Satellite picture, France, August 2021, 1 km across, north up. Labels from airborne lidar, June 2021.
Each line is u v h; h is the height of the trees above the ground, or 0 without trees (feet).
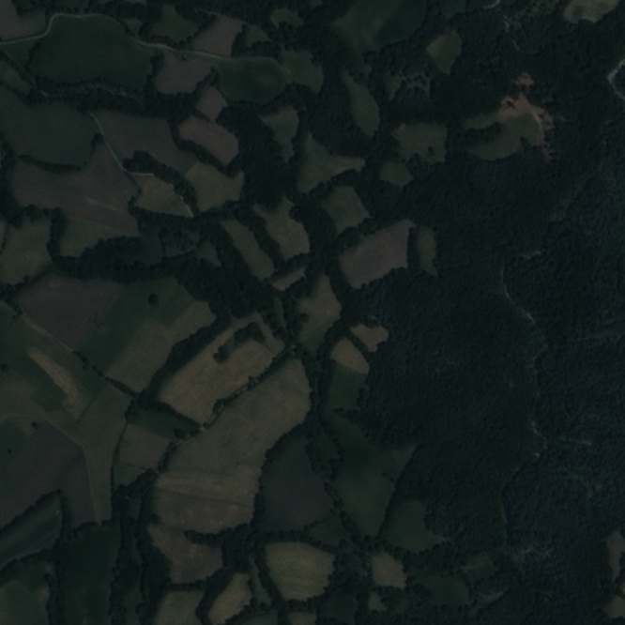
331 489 53
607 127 44
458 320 64
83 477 0
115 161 0
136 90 31
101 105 54
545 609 72
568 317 54
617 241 47
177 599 0
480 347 79
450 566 67
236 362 0
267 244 66
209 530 0
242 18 32
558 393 36
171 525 0
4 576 54
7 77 0
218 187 0
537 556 49
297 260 52
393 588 39
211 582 53
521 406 71
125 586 67
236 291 84
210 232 54
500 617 64
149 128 0
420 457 57
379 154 67
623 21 41
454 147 74
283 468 0
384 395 69
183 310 0
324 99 54
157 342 0
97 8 35
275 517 0
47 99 45
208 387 0
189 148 49
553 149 74
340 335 42
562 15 51
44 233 0
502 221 54
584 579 71
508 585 57
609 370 52
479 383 68
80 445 0
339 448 27
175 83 0
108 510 0
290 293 48
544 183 71
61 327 0
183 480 0
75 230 0
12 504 0
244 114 54
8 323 0
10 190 56
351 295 67
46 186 0
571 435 38
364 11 0
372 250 0
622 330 42
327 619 46
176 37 0
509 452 62
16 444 0
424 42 53
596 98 75
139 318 0
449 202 74
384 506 0
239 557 76
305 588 0
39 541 0
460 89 93
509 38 54
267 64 0
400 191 45
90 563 0
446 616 58
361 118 0
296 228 0
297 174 46
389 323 59
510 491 73
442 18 52
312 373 49
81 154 0
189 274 70
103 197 0
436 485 68
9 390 0
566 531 57
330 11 68
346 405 0
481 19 47
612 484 30
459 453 59
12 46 0
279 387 0
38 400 0
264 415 0
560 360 64
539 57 77
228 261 55
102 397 0
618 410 46
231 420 0
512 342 59
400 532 0
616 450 57
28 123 0
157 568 79
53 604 42
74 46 0
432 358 42
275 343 0
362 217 0
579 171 30
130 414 39
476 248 64
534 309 47
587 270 48
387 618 56
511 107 68
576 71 86
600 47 79
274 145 59
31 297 0
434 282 58
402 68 57
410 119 54
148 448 0
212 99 0
